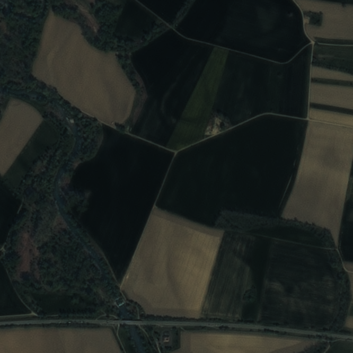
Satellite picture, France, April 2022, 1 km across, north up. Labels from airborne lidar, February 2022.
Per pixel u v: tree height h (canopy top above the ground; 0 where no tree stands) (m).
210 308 0
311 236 0
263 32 0
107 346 0
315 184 0
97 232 0
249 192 0
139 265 0
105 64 0
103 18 23
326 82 0
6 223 0
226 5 0
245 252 0
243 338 0
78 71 0
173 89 0
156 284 0
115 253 0
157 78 0
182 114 0
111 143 0
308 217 0
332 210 0
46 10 12
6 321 0
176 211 0
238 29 0
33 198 27
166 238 0
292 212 0
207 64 0
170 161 0
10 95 22
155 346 6
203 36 0
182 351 0
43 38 0
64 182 12
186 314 0
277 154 0
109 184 0
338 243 0
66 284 26
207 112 0
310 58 0
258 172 0
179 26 0
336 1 0
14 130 0
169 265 0
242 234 0
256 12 0
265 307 0
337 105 0
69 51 0
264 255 0
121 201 0
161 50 0
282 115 0
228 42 0
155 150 0
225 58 0
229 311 0
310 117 0
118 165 0
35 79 26
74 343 0
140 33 0
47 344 0
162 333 0
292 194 0
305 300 0
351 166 0
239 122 0
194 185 0
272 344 0
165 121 0
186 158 0
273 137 0
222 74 0
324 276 0
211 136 0
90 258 20
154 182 0
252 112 0
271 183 0
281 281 0
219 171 0
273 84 0
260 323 10
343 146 0
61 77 0
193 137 0
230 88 0
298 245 0
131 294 0
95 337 0
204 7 0
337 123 0
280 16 0
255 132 0
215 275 0
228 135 0
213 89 0
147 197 0
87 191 0
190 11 0
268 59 0
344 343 0
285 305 0
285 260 0
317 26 0
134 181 0
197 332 0
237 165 0
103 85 0
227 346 0
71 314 17
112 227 0
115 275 0
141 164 0
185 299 0
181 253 0
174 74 0
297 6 0
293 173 0
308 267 0
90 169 0
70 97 0
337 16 0
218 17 0
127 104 0
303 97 0
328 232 12
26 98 11
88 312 18
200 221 0
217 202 0
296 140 0
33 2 16
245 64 0
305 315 0
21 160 0
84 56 0
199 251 0
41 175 10
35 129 0
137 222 0
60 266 14
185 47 0
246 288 0
